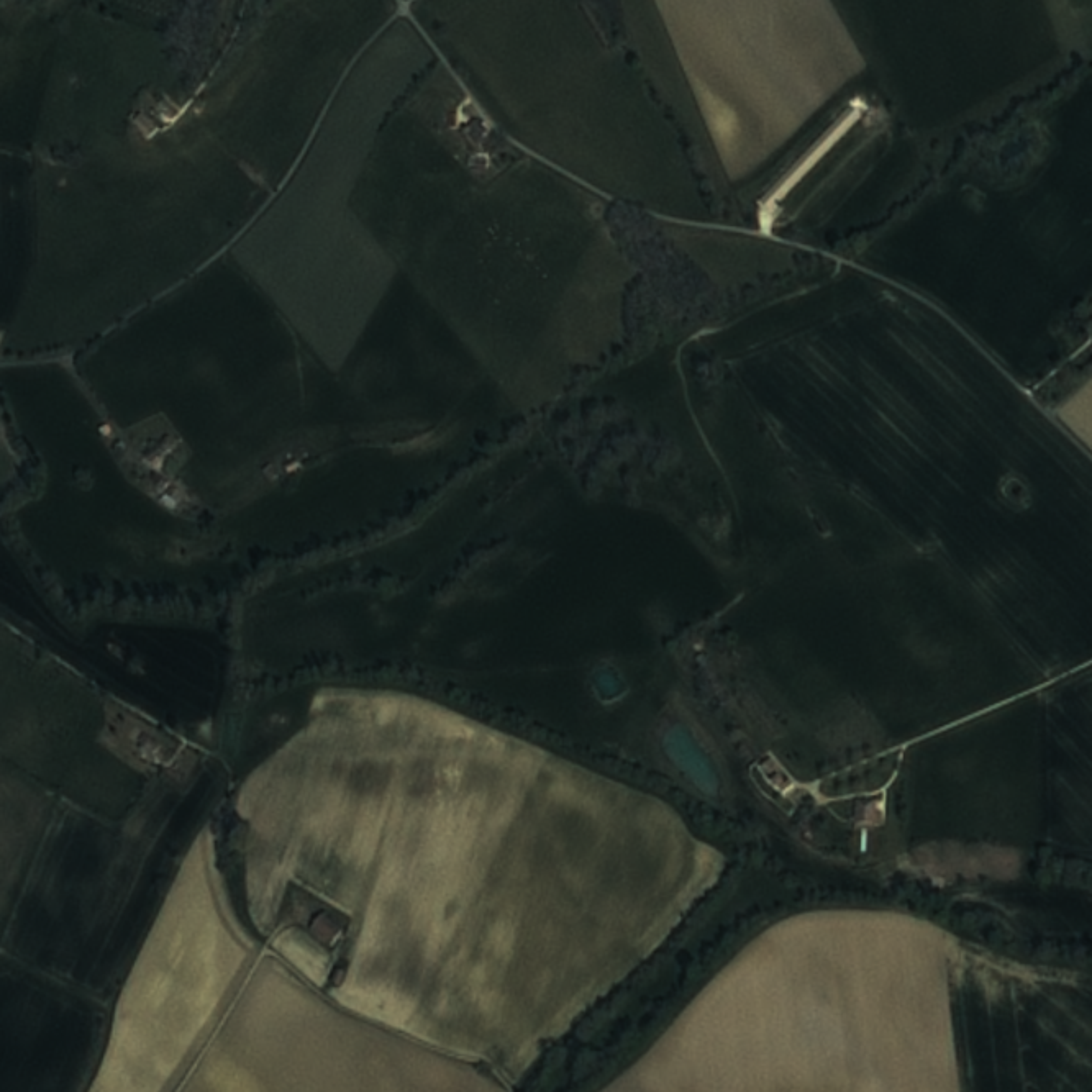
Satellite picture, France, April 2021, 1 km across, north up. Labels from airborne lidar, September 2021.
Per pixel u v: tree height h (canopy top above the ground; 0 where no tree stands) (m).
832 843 0
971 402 0
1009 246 0
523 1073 0
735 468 0
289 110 0
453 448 0
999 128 16
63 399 0
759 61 0
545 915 0
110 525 0
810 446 0
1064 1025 0
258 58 0
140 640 0
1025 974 0
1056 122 0
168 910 0
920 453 0
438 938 0
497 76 0
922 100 0
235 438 0
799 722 0
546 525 0
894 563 0
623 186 0
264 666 0
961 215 0
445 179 0
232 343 0
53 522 0
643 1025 7
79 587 0
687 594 0
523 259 0
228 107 0
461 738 0
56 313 0
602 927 0
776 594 0
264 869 0
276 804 0
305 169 0
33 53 0
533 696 0
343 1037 0
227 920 0
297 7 0
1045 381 11
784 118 0
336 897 0
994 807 0
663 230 11
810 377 0
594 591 0
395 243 0
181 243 0
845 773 13
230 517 0
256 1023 0
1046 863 12
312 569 21
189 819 0
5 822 0
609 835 0
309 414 0
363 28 0
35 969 0
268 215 0
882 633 0
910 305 0
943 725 0
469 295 0
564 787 0
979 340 0
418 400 0
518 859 0
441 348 0
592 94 0
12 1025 0
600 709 0
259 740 0
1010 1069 0
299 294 0
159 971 0
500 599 0
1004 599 0
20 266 0
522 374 0
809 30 0
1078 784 0
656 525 0
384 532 13
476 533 0
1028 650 0
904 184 0
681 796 14
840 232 0
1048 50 0
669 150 0
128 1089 0
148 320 0
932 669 0
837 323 0
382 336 0
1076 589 0
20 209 0
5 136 0
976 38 0
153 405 0
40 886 0
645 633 0
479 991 0
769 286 15
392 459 0
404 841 0
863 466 0
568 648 0
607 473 15
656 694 0
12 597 0
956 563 0
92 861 0
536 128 0
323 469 0
